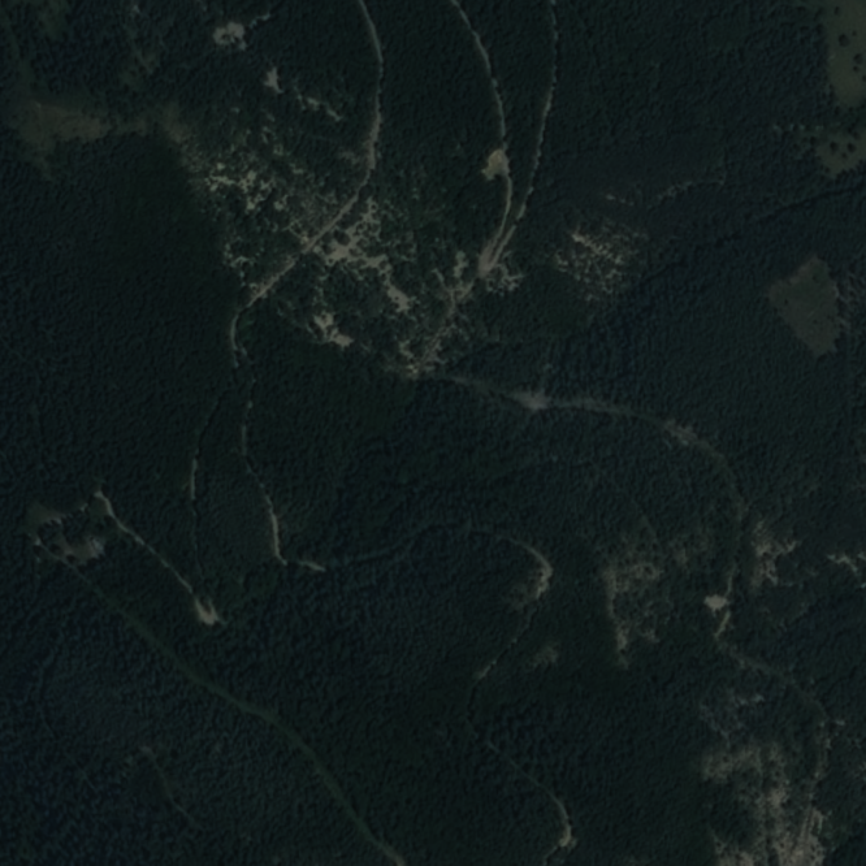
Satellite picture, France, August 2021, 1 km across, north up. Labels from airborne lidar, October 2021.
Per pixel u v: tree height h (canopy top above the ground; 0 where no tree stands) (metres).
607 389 21
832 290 0
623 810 14
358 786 17
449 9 17
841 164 0
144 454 20
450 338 6
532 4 17
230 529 19
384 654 12
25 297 16
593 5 19
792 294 0
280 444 15
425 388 18
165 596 15
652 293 22
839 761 11
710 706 10
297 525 9
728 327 18
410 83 16
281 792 21
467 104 18
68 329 17
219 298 18
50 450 14
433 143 15
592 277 6
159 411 21
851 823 6
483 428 11
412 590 22
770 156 17
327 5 19
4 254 18
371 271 6
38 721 19
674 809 15
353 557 15
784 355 14
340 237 16
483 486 11
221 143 8
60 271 14
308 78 17
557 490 15
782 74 19
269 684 23
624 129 26
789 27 21
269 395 17
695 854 19
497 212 17
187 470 9
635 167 21
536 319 7
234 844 11
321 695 20
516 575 17
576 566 14
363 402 13
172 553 10
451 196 12
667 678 14
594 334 17
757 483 19
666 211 20
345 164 10
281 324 11
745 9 25
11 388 19
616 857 12
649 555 10
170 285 19
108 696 11
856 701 26
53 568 7
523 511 15
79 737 13
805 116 20
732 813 14
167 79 7
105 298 25
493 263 0
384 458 27
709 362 17
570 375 18
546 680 22
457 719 17
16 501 23
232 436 17
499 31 17
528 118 13
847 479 14
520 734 8
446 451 21
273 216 12
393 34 21
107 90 12
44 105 0
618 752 24
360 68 14
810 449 16
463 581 20
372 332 19
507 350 20
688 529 19
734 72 17
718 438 8
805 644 15
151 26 8
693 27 17
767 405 15
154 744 13
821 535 16
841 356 15
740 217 29
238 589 17
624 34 15
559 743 26
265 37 15
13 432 21
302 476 23
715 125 20
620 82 14
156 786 7
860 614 19
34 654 11
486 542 18
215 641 16
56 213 13
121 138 8
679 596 23
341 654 17
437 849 14
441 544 18
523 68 17
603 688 23
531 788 25
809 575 17
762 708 11
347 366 17
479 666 14
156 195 17
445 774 21
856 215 19
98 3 13
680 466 16
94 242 15
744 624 27
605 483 10
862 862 14
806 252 20
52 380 19
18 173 18
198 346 22
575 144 13
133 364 20
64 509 19
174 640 9
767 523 6
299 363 14
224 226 8
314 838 23
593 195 17
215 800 7
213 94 15
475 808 17
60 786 28
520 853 17
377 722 20
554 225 25
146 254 20
